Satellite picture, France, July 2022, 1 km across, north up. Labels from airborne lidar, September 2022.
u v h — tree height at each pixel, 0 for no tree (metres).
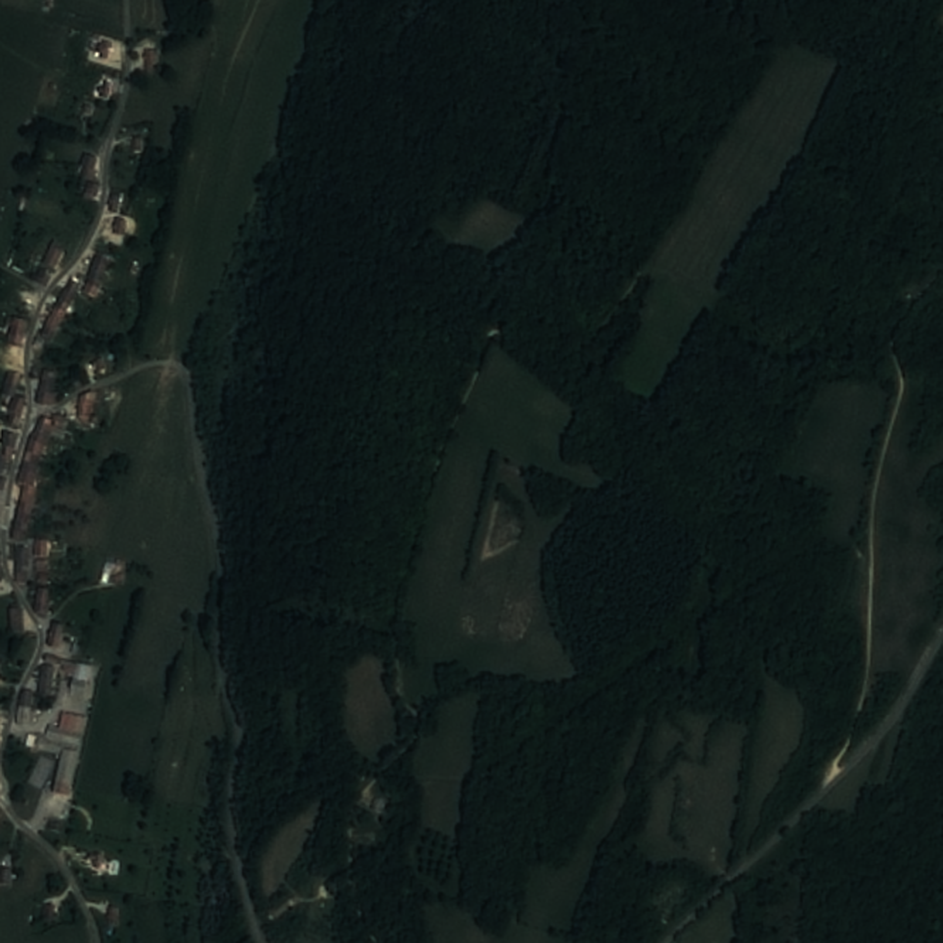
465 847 16
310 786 19
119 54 0
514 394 0
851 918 7
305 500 23
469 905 21
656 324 0
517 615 0
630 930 12
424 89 19
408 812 15
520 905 22
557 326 12
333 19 13
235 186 0
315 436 20
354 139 18
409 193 22
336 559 24
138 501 0
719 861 0
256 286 7
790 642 12
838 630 7
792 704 0
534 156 18
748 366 24
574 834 20
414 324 13
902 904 14
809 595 8
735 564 18
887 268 16
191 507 0
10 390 0
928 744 10
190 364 16
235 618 18
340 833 19
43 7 0
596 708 17
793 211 23
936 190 15
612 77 19
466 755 0
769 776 0
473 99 16
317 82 16
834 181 18
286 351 21
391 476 10
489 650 0
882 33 10
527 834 16
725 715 11
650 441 18
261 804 7
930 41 12
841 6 22
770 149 0
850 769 0
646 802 6
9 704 12
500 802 15
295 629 21
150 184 12
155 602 0
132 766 0
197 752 0
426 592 0
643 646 19
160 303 0
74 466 17
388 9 15
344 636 16
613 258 19
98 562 0
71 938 0
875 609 0
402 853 17
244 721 15
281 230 17
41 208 0
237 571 18
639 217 19
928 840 10
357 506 20
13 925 0
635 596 20
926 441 9
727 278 18
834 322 9
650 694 16
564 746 10
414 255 24
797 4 24
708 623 17
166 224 18
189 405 0
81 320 9
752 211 0
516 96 18
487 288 19
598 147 22
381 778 19
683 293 0
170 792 0
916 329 6
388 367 16
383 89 19
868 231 17
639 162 23
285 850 0
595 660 20
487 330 14
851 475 0
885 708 6
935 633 0
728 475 20
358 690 0
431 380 13
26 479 0
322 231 26
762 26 25
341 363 20
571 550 21
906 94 14
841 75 14
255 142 0
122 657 13
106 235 0
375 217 24
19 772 0
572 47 25
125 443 0
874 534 0
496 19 13
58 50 0
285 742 17
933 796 13
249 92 0
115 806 0
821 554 13
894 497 0
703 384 22
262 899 14
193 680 0
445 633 0
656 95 20
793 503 15
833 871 12
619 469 16
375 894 17
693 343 20
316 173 21
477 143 20
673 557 22
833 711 13
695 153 19
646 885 8
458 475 0
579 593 19
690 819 0
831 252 23
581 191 18
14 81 0
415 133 19
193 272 0
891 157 16
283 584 21
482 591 0
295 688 16
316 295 27
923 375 10
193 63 0
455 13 21
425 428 10
